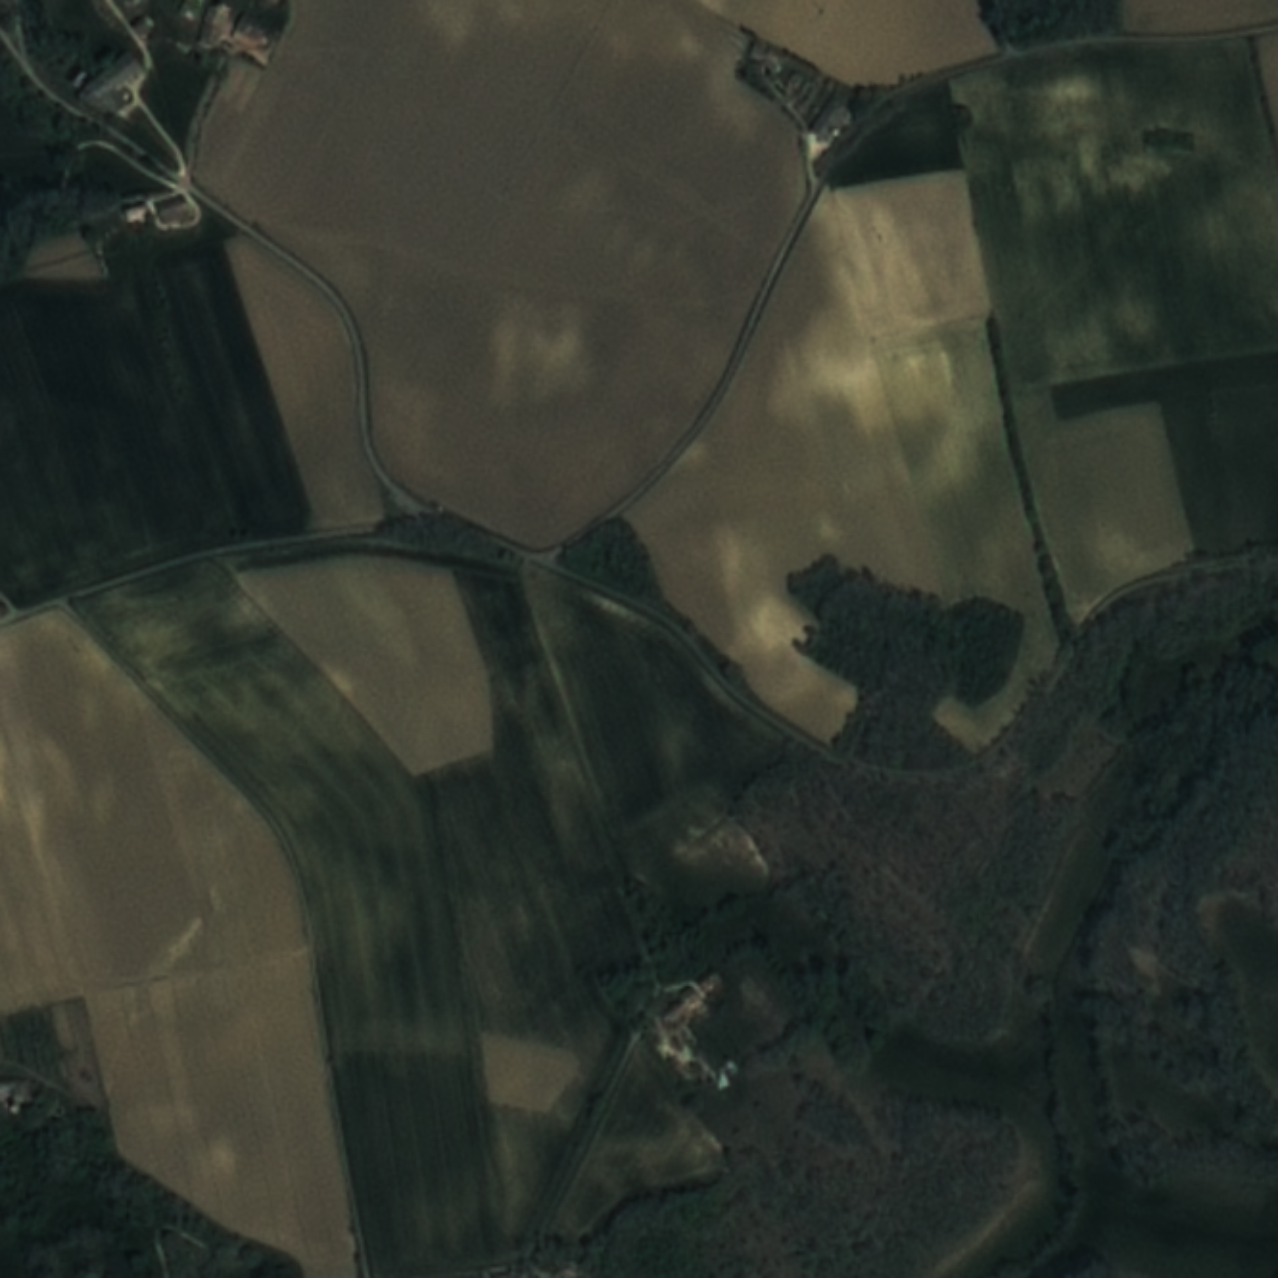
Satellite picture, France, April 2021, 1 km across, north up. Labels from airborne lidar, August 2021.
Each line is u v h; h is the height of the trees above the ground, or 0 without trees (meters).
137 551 0
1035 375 0
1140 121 0
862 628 18
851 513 0
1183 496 0
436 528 16
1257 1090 18
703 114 0
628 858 0
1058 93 0
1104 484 0
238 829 0
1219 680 8
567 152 0
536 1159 0
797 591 9
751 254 0
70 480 0
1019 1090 0
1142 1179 22
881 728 14
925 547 0
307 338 0
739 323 0
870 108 14
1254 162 0
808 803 10
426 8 0
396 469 0
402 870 0
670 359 0
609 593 0
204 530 0
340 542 0
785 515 0
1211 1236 0
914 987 15
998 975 18
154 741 0
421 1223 0
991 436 0
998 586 0
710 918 11
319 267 0
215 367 0
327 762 0
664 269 0
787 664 0
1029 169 0
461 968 0
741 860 0
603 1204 0
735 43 0
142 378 0
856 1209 12
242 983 0
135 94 0
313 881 0
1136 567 0
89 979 0
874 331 0
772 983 0
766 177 0
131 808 0
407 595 0
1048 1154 0
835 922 15
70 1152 19
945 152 0
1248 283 0
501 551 10
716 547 0
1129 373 0
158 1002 0
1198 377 0
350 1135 0
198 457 0
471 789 0
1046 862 23
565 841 0
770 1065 14
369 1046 0
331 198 0
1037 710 11
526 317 0
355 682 0
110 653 0
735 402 0
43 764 0
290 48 0
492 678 0
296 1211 0
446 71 0
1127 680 15
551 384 0
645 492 0
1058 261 0
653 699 0
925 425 0
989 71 0
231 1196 0
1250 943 0
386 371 0
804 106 0
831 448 0
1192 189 0
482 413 0
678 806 0
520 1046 0
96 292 0
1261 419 0
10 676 0
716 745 0
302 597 0
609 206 0
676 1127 0
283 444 0
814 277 0
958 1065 0
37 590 0
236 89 0
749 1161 16
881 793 10
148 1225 22
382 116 0
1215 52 0
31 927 0
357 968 0
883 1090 0
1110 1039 18
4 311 0
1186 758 21
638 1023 10
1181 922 22
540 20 0
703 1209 13
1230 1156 17
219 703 0
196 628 0
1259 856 8
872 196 0
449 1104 0
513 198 0
